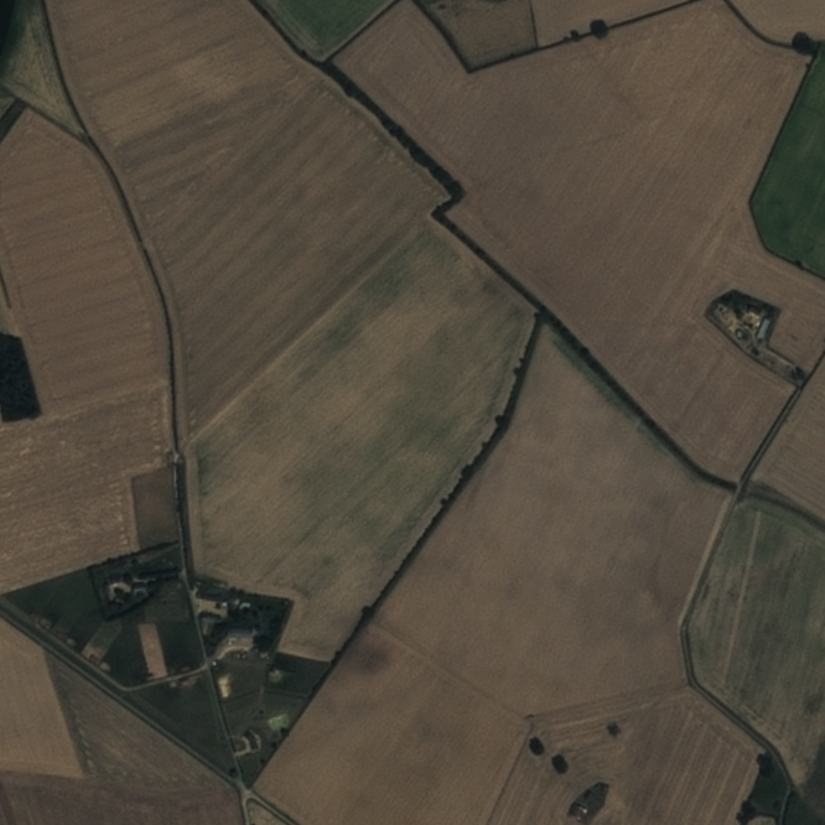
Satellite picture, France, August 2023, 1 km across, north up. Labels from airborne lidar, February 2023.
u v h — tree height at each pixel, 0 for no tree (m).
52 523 0
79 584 0
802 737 0
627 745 0
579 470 0
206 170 0
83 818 0
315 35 0
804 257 0
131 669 0
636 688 0
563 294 0
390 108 0
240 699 0
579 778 0
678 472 0
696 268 0
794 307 0
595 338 0
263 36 0
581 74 0
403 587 0
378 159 0
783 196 0
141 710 0
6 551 0
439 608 0
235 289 0
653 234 0
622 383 0
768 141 0
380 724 0
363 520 0
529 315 0
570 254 0
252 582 0
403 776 0
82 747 0
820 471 0
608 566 0
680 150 0
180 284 0
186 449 0
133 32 0
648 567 0
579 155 0
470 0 0
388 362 0
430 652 0
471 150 0
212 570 0
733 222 0
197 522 0
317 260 0
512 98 0
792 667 0
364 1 0
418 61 0
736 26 0
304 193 0
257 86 0
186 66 0
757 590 0
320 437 0
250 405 0
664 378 0
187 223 0
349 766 0
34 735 0
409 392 0
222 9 0
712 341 0
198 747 0
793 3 0
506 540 0
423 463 0
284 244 0
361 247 0
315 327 0
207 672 0
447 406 0
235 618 6
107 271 0
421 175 0
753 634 0
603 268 0
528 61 0
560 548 0
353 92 11
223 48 0
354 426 0
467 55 0
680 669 0
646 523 0
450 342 0
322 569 0
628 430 0
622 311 0
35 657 0
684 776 0
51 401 0
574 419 0
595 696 0
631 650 0
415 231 0
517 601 0
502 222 0
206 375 0
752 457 0
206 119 0
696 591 0
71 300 0
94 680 0
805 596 0
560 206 0
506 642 0
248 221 0
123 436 0
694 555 0
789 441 0
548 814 0
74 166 0
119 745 0
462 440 0
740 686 0
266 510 0
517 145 0
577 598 0
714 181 0
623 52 0
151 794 0
